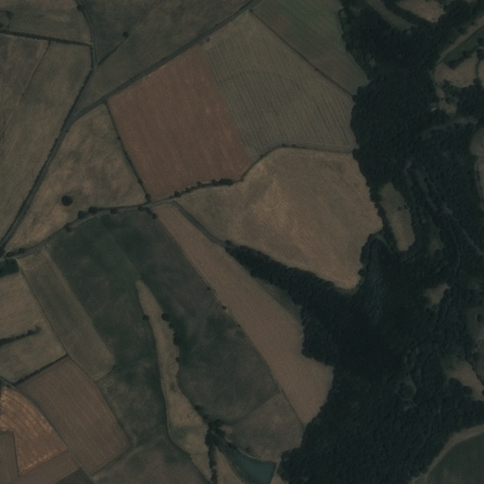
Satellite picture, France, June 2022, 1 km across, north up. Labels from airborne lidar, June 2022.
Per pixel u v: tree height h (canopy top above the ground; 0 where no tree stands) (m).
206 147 0
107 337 0
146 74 0
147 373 0
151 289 0
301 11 0
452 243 18
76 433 0
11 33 6
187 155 0
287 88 0
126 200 0
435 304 8
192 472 0
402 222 0
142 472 0
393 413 15
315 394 0
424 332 23
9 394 0
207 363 0
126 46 0
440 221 28
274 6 0
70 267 0
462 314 16
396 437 24
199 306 0
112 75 0
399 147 21
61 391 0
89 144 0
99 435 0
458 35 0
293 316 0
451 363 0
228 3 0
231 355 0
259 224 0
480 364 0
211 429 15
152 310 0
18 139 0
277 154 0
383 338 11
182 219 0
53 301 0
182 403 0
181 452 0
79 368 0
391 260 20
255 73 0
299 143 0
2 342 13
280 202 0
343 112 0
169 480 0
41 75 0
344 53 0
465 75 0
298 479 19
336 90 0
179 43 0
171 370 0
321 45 0
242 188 0
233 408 0
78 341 0
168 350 0
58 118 0
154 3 0
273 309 0
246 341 0
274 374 0
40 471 0
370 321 12
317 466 13
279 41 0
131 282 0
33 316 0
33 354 0
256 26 0
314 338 19
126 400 0
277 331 0
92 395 0
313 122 0
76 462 0
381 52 10
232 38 0
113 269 0
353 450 27
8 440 0
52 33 0
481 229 13
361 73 0
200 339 0
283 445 0
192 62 0
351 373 18
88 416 0
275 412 0
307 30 0
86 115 0
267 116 0
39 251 0
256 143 0
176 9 0
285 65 0
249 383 0
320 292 23
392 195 0
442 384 19
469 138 11
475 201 15
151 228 0
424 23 18
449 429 18
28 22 0
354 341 23
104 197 0
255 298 0
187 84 0
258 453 0
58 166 0
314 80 0
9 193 0
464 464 0
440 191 15
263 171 0
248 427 0
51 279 0
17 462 0
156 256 0
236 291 0
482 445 0
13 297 0
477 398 0
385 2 13
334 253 0
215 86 0
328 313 9
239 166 0
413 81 20
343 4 11
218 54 0
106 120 0
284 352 0
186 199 0
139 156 0
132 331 0
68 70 0
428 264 22
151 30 0
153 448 0
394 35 22
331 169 0
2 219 0
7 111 0
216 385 0
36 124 0
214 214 0
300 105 0
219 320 0
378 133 20
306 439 11
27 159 0
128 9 0
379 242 14
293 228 0
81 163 0
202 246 0
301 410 0
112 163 0
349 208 0
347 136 0
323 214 0
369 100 22
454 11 18
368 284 13
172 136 0
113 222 0
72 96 0
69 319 0
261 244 0
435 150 15
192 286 0
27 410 0
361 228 0
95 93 0
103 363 0
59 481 0
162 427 0
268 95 0
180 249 0
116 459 0
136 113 0
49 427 0
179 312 0
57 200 0
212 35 0
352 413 13
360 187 0
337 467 22
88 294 0
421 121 28
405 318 14
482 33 0
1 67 0
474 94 17
